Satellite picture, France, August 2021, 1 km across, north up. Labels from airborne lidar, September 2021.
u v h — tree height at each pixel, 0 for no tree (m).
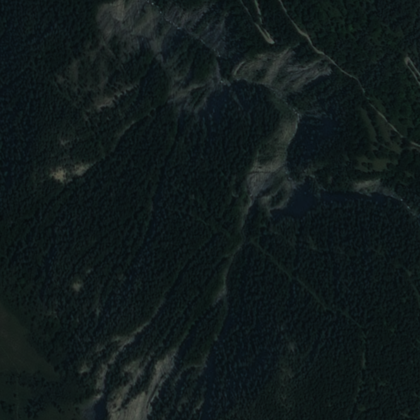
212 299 9
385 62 15
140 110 18
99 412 0
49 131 21
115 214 14
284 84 0
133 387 14
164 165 38
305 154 18
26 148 22
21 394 0
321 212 22
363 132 23
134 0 0
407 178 17
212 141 18
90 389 30
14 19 21
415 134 22
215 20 7
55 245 19
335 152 19
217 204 18
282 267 7
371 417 30
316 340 17
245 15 15
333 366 22
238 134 27
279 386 13
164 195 30
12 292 11
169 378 0
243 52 19
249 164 18
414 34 16
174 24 0
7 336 0
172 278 25
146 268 9
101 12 0
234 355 27
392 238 31
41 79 24
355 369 23
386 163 0
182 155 20
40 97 25
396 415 21
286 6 13
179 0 26
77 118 23
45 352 9
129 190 29
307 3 24
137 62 10
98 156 22
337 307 15
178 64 7
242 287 6
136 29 0
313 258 21
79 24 29
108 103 0
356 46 17
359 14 20
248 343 16
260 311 23
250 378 13
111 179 21
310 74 0
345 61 13
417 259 11
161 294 15
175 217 24
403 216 29
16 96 24
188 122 13
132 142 21
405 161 22
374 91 16
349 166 21
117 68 7
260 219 36
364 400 23
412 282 8
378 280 22
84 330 25
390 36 15
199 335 31
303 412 22
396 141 13
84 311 11
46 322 8
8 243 17
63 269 23
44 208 36
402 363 12
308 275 20
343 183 12
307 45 12
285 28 27
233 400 26
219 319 23
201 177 19
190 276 21
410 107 16
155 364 10
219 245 30
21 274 11
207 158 22
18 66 25
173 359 0
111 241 26
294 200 6
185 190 30
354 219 23
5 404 14
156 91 27
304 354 19
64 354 9
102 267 26
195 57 14
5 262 23
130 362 12
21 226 13
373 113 23
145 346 18
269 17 13
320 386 19
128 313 24
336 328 11
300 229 23
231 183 19
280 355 12
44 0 27
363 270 17
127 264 26
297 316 24
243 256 7
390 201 13
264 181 0
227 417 13
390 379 30
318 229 22
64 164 16
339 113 21
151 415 0
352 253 26
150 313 18
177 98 0
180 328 23
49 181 15
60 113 16
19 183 20
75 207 17
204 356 11
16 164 12
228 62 15
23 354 0
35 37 11
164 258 14
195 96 12
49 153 20
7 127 18
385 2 22
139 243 28
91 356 15
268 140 23
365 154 15
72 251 27
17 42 20
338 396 23
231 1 17
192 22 8
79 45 19
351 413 20
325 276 21
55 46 15
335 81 12
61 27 21
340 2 9
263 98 24
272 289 23
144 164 22
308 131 14
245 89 16
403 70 7
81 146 23
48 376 0
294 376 8
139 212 13
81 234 12
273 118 20
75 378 8
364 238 19
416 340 20
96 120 26
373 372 15
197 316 9
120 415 0
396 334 14
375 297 27
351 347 18
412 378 12
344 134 22
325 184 18
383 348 22
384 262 21
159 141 23
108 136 19
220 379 17
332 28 14
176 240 24
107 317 21
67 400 6
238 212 11
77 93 0
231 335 23
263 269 22
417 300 19
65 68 27
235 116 20
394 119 8
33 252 21
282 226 20
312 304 26
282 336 8
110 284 21
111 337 15
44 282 14
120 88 12
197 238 26
